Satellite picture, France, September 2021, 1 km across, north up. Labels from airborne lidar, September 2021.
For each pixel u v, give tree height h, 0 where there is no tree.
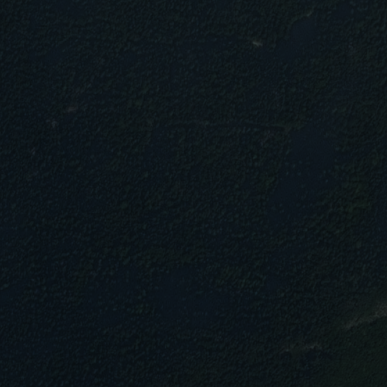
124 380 14
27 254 25
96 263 24
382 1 26
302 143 25
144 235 19
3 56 26
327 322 10
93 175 24
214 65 24
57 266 15
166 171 23
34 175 25
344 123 22
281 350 27
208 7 27
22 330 32
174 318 21
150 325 16
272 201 14
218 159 17
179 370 18
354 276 13
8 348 25
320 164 28
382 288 13
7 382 27
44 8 26
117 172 17
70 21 23
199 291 33
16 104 27
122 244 14
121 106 18
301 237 19
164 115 28
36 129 27
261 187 26
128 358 15
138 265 29
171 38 22
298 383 23
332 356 20
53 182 21
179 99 23
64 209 20
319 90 23
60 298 23
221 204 25
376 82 20
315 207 17
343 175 17
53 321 27
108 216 22
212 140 18
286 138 19
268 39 26
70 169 24
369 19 17
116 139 22
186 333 19
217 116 22
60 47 15
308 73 15
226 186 24
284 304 22
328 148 27
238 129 20
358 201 35
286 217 28
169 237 28
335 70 32
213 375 25
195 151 16
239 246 27
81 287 24
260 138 23
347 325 10
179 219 27
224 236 26
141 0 21
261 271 27
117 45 20
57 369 29
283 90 17
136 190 30
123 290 23
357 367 19
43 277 20
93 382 29
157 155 27
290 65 14
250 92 16
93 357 30
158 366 15
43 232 22
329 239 25
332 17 15
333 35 20
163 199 19
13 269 24
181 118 25
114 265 27
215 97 26
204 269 24
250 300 26
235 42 15
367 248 18
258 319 24
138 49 23
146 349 24
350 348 26
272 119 26
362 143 27
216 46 17
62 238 15
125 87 25
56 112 16
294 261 20
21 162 23
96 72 30
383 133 21
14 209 26
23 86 26
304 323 14
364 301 20
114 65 20
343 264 19
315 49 15
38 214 21
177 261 25
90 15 19
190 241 29
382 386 31
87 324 30
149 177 26
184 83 19
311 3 23
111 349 26
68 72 22
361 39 17
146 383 20
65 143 20
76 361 37
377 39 10
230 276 26
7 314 26
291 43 24
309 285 19
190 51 21
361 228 24
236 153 23
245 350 24
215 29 26
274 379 22
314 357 12
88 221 20
